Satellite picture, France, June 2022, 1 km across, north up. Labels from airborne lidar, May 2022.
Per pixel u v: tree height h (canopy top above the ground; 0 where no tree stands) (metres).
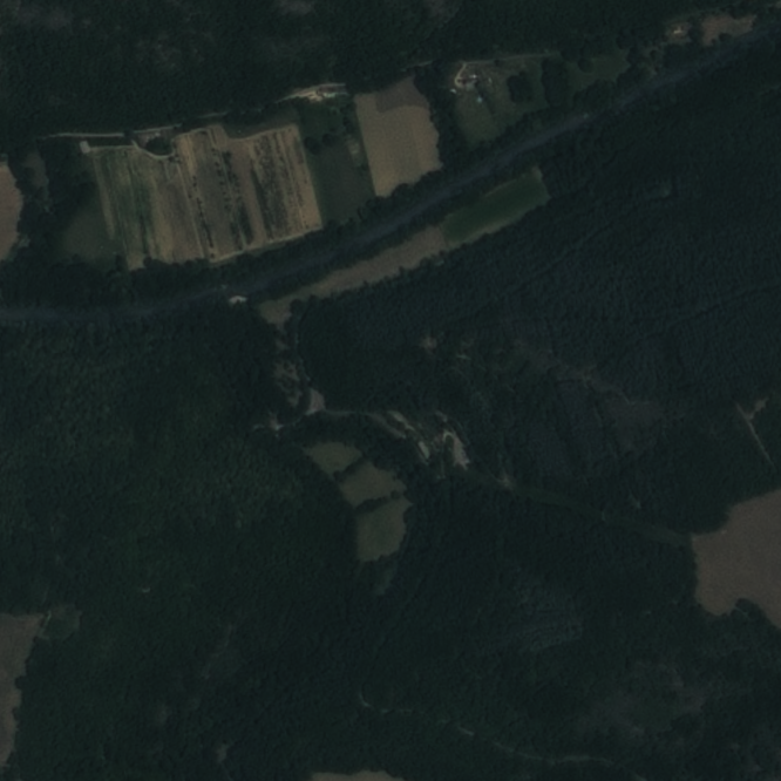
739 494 12
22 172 14
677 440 9
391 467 10
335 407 9
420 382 15
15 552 20
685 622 13
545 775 12
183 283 24
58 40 10
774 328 20
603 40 24
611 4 17
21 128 15
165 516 13
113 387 15
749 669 13
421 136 0
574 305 16
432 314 24
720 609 0
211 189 0
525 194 0
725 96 19
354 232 19
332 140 14
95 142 8
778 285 12
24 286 27
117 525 19
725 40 28
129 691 14
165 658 15
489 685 10
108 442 18
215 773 27
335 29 19
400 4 11
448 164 29
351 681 19
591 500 12
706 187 18
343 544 17
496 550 13
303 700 21
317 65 8
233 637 15
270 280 0
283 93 12
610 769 17
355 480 0
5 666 0
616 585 11
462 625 20
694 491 13
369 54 22
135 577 17
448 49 18
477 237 0
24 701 11
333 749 19
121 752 29
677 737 9
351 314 21
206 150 0
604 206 16
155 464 13
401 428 8
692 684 7
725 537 0
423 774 23
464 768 18
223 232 0
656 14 18
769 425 10
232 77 13
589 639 15
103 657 10
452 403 11
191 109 16
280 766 14
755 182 18
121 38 9
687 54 23
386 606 23
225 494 16
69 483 16
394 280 14
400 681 13
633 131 23
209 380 12
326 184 0
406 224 0
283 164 0
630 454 12
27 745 13
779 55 25
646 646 11
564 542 8
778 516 0
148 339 14
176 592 14
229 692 21
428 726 15
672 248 24
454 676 16
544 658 14
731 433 10
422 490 20
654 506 17
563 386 17
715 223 17
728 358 16
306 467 19
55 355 10
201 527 20
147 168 0
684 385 8
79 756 21
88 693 14
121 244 0
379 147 0
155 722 11
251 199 0
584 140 18
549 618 11
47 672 14
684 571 15
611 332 14
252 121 16
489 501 21
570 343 9
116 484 14
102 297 22
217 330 26
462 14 15
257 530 19
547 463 18
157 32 12
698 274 13
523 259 21
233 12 20
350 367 12
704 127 21
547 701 19
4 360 17
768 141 22
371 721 16
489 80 0
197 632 14
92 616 13
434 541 21
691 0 12
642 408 0
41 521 18
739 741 11
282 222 0
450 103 22
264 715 22
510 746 14
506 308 17
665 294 15
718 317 22
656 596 11
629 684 9
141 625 12
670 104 18
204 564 15
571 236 13
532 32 17
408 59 12
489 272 26
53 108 9
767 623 16
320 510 20
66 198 22
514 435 8
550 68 20
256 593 15
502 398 14
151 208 0
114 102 19
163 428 12
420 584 14
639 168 16
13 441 14
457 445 0
